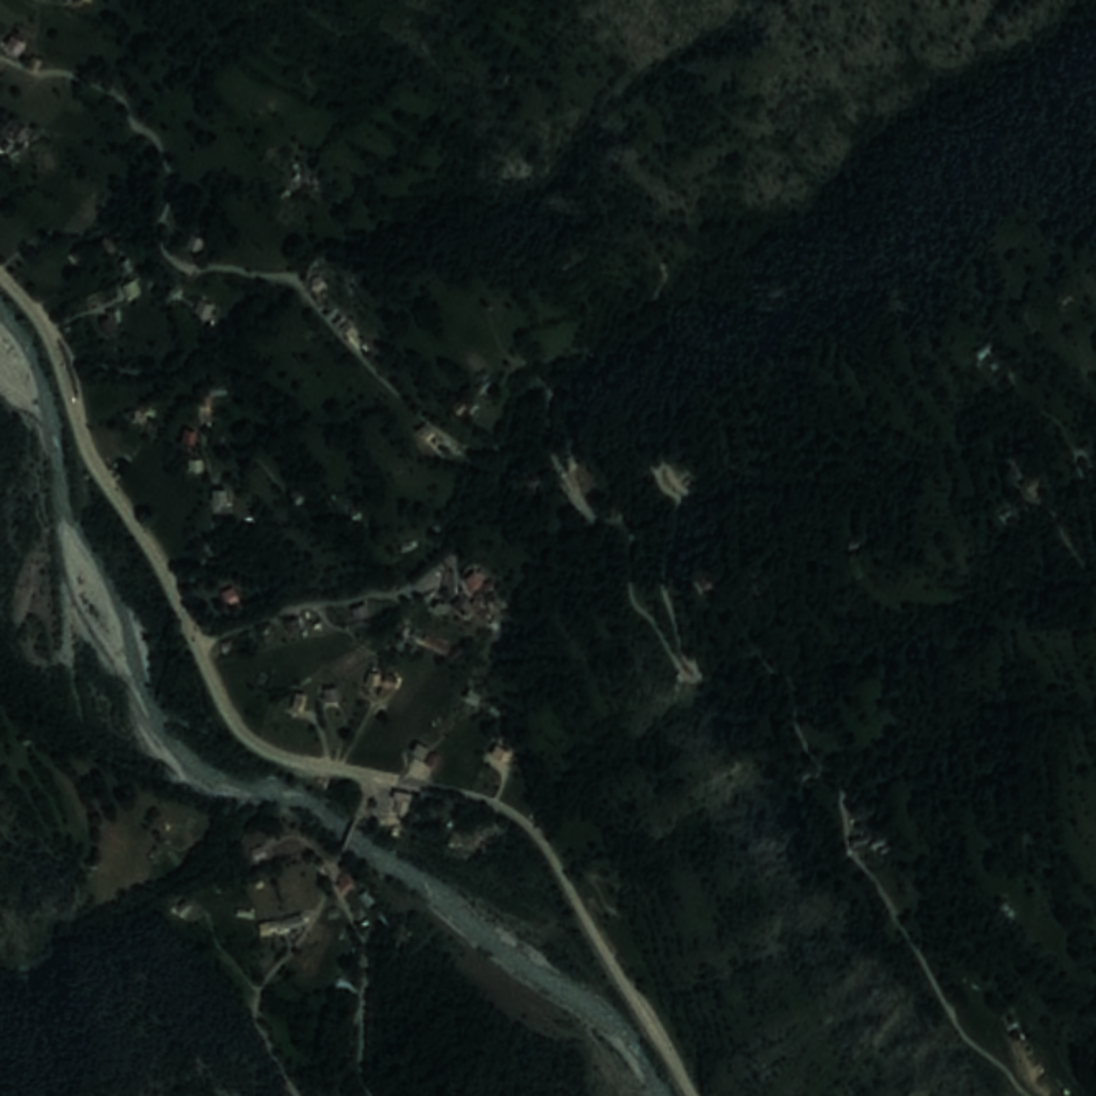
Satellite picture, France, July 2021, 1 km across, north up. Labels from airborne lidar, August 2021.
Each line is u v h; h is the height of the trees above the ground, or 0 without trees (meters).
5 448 9
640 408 22
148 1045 15
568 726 11
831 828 15
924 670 23
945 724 7
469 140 15
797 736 11
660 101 10
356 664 0
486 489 27
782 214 6
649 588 8
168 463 12
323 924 0
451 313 0
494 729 14
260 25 11
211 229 19
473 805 14
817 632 12
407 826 20
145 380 12
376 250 25
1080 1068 20
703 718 8
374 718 0
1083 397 10
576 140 10
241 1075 14
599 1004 0
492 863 11
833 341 11
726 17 5
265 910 0
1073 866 9
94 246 14
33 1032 16
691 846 6
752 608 14
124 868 0
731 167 16
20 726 14
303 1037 16
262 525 9
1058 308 0
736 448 17
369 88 10
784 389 13
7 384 0
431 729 0
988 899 9
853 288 10
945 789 12
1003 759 22
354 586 9
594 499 14
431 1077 21
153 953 10
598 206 8
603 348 21
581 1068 10
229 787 0
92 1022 12
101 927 14
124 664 0
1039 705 11
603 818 6
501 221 25
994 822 12
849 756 11
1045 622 15
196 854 11
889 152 21
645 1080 0
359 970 17
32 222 0
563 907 12
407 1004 12
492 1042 9
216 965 8
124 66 9
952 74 7
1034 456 21
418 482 0
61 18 0
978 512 11
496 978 0
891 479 19
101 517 11
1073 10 10
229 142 0
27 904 8
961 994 11
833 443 9
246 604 14
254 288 12
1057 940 0
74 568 0
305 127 0
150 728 0
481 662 6
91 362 11
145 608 11
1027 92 11
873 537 6
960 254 17
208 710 7
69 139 0
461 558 17
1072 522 12
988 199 14
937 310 8
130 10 14
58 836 13
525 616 25
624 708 6
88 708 6
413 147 7
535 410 18
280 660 0
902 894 7
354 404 8
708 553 27
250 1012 10
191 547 11
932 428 7
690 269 15
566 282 7
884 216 14
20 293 0
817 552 16
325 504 6
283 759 0
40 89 0
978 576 13
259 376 12
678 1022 9
